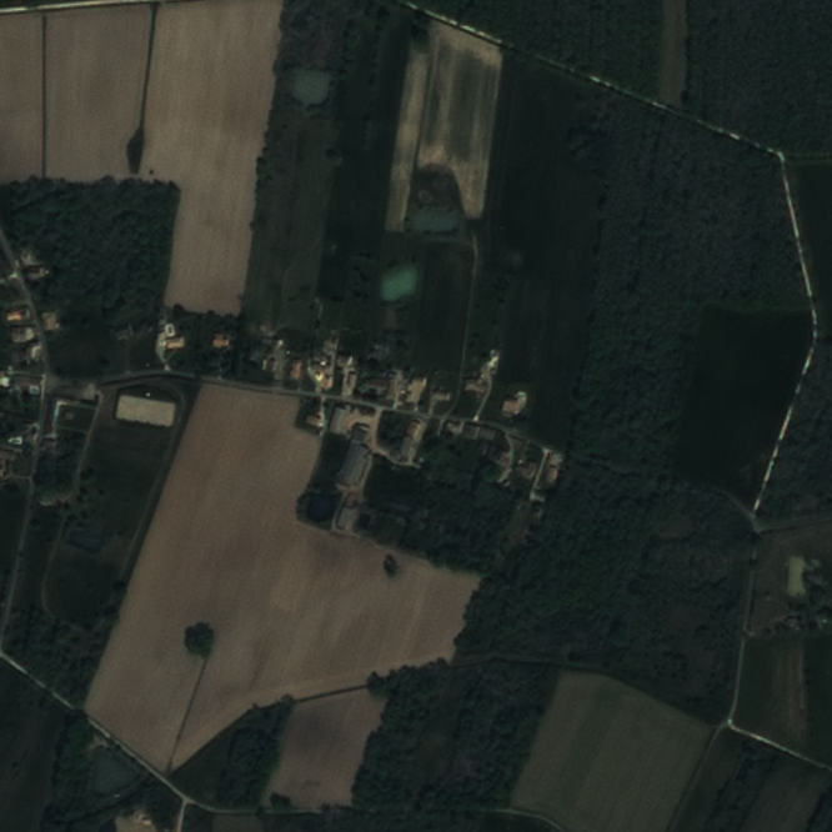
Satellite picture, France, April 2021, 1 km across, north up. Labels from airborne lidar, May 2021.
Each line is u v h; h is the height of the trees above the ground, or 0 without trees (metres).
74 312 0
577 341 0
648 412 13
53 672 12
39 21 0
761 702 0
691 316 12
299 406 0
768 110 18
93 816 9
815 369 10
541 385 0
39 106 0
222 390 0
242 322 9
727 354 0
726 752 0
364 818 13
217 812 0
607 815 0
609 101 9
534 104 0
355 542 0
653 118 16
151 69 0
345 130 0
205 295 0
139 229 11
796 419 6
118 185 14
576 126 0
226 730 0
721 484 0
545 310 0
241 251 0
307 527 0
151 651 0
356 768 0
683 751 0
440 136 0
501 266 0
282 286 0
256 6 0
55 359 0
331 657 0
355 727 0
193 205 0
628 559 20
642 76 15
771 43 19
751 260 20
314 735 0
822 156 12
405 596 0
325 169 0
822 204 0
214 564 0
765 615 0
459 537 14
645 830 0
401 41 0
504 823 0
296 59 8
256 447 0
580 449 9
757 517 11
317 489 10
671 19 0
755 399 0
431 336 0
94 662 12
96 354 0
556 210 0
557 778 0
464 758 0
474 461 0
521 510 11
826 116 20
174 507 0
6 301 12
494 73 0
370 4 11
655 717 0
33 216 13
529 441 0
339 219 0
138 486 0
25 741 0
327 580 0
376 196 0
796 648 0
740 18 16
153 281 14
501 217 0
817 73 21
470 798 15
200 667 0
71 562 0
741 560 11
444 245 0
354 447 0
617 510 16
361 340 0
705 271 17
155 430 0
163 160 0
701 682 0
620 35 19
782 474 14
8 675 0
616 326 14
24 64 0
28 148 0
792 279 16
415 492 0
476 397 0
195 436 0
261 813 13
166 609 0
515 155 0
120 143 0
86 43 0
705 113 7
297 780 0
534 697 10
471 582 0
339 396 0
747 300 21
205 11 0
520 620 14
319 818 9
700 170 17
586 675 0
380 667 0
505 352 0
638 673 6
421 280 0
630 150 17
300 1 16
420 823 8
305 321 0
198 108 0
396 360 0
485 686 9
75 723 19
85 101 0
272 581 0
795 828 0
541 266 0
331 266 0
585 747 0
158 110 0
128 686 0
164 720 0
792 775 0
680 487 12
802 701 0
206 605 0
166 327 0
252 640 0
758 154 16
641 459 8
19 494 11
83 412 0
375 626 0
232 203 0
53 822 22
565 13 19
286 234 0
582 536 21
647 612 14
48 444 0
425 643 0
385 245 0
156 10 0
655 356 11
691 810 0
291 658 0
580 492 16
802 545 0
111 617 16
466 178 0
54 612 0
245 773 9
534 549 17
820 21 22
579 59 15
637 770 0
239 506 0
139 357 0
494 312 0
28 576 0
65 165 0
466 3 14
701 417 0
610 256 13
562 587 15
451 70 0
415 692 14
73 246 14
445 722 0
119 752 7
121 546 0
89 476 10
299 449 0
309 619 0
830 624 8
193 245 0
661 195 18
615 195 17
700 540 8
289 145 0
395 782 13
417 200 0
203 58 0
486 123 0
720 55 10
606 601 12
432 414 0
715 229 16
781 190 10
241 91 0
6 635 7
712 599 9
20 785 0
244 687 0
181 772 0
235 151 0
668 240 12
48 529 0
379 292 0
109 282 12
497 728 12
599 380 12
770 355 0
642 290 15
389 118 0
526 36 16
